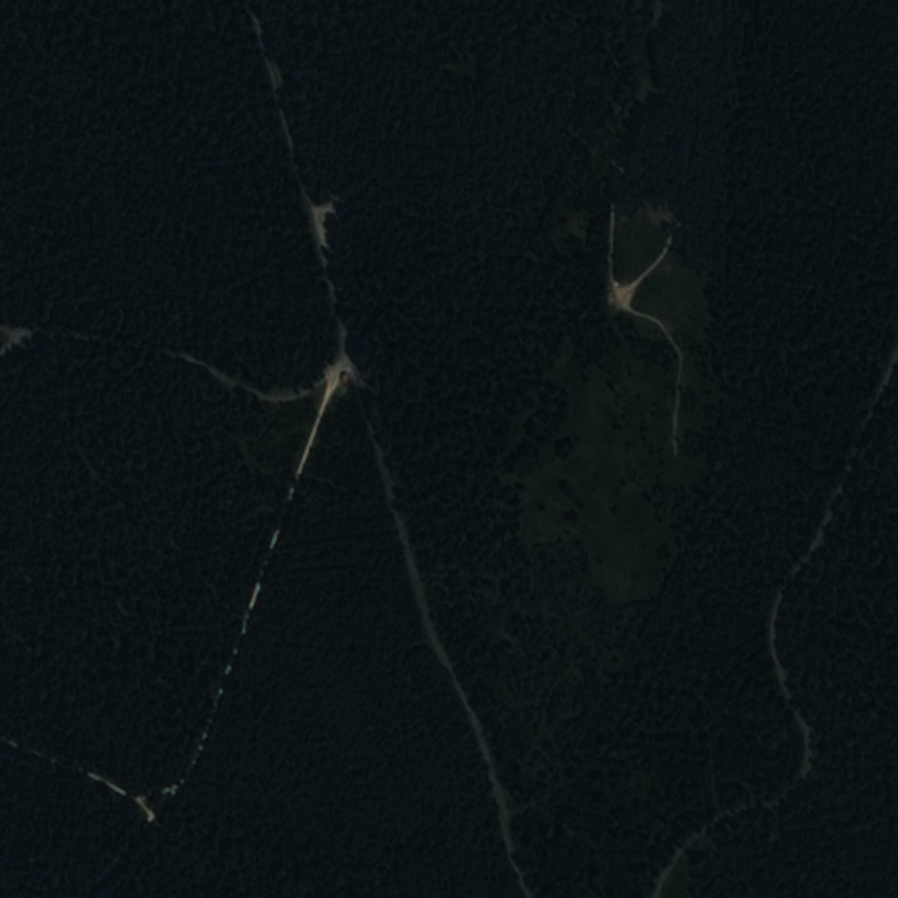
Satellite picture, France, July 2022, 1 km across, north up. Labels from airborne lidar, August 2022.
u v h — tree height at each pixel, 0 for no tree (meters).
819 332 12
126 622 26
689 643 12
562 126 15
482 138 28
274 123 28
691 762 10
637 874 24
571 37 22
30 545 27
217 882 25
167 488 21
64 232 19
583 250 9
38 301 13
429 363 8
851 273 20
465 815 22
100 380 23
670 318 0
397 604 15
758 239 10
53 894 32
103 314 25
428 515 14
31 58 25
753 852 16
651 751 18
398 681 12
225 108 24
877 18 11
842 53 13
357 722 12
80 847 25
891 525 22
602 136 27
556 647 9
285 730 12
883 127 18
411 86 26
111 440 30
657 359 6
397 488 6
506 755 14
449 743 13
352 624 13
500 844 18
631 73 25
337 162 30
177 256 19
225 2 26
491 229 17
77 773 25
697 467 0
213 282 20
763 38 13
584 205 8
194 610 14
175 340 14
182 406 26
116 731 26
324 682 15
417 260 20
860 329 20
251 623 8
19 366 19
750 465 15
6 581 22
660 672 23
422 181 26
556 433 7
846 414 12
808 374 12
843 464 21
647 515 0
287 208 24
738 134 22
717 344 14
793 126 10
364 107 27
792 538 15
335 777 13
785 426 19
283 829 17
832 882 20
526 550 5
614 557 0
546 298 17
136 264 17
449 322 15
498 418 8
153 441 22
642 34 23
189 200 24
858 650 14
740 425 21
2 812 23
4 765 23
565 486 13
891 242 13
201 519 22
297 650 13
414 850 20
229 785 17
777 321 12
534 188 20
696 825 26
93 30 17
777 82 12
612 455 0
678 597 12
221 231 15
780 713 23
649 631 12
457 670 9
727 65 32
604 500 0
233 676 13
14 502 23
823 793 18
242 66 25
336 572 12
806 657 21
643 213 0
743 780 6
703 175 30
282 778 15
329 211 0
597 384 0
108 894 31
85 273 20
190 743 27
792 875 15
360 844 12
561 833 22
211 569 16
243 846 24
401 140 25
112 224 16
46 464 28
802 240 18
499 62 23
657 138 27
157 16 9
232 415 26
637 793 6
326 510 12
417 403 22
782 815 18
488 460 8
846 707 23
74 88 23
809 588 10
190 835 27
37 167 23
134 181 20
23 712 24
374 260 17
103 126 25
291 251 16
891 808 14
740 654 16
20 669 29
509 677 6
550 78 20
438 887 19
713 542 14
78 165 14
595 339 15
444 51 25
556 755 9
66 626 25
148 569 27
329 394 0
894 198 12
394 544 15
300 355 28
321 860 23
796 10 12
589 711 12
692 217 31
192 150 24
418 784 19
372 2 27
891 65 11
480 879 15
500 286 18
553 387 22
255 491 23
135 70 25
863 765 16
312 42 33
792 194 13
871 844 17
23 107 25
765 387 20
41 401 27
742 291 13
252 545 20
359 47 27
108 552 24
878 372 24
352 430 9
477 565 6
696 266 32
